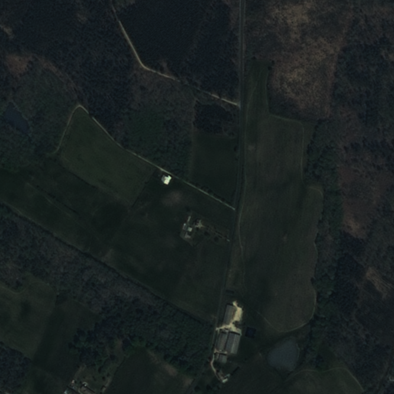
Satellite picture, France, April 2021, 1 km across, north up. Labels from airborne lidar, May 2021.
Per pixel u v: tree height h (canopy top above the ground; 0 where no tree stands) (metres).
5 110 15
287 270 0
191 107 14
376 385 12
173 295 0
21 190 0
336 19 0
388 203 13
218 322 0
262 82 0
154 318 11
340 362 12
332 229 16
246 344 0
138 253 0
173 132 12
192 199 0
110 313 19
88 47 11
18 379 10
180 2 13
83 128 0
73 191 0
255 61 7
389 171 12
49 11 15
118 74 13
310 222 0
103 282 15
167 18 15
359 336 14
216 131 10
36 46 15
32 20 15
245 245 0
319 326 22
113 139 7
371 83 22
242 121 0
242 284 0
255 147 0
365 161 11
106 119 14
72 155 0
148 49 15
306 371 0
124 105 15
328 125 19
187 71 14
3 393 11
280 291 0
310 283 0
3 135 16
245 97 0
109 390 0
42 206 0
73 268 15
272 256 0
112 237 0
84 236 0
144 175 0
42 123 17
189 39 15
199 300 0
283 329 0
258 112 0
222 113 10
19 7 7
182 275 0
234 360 0
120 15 13
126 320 9
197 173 0
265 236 0
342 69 23
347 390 0
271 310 0
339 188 9
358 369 14
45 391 0
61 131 11
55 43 13
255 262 0
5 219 14
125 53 11
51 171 0
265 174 0
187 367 27
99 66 11
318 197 0
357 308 18
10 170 14
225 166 0
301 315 0
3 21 8
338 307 10
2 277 14
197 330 17
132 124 15
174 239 0
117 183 0
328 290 23
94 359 24
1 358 11
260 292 0
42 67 7
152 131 15
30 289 0
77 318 0
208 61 11
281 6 0
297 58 0
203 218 0
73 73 7
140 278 0
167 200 0
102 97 11
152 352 18
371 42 17
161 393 0
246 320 0
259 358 0
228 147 0
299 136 0
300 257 0
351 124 11
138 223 0
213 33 9
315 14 0
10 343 0
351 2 14
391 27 23
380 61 19
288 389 0
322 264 13
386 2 17
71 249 12
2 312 0
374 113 21
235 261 0
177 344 13
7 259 16
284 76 0
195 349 14
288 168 0
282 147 0
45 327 0
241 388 0
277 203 0
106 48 10
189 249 0
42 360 0
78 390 0
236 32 12
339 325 15
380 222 14
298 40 0
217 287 0
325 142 19
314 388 0
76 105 13
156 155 14
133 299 15
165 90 8
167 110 9
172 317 9
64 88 13
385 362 13
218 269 0
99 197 0
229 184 0
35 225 14
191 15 15
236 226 0
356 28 19
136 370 0
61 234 0
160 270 0
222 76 14
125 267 0
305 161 0
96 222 0
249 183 0
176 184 0
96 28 10
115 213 0
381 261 8
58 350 0
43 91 13
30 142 15
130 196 0
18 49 16
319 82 0
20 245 18
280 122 0
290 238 0
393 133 18
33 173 8
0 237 16
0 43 21
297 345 0
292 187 0
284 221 0
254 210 0
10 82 16
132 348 25
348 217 0
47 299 0
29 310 0
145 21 14
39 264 19
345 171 0
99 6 12
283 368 0
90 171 0
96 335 0
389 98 18
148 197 0
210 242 0
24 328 0
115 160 0
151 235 0
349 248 20
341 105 7
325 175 12
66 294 6
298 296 0
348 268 21
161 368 0
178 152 13
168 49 16
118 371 0
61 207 0
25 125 0
